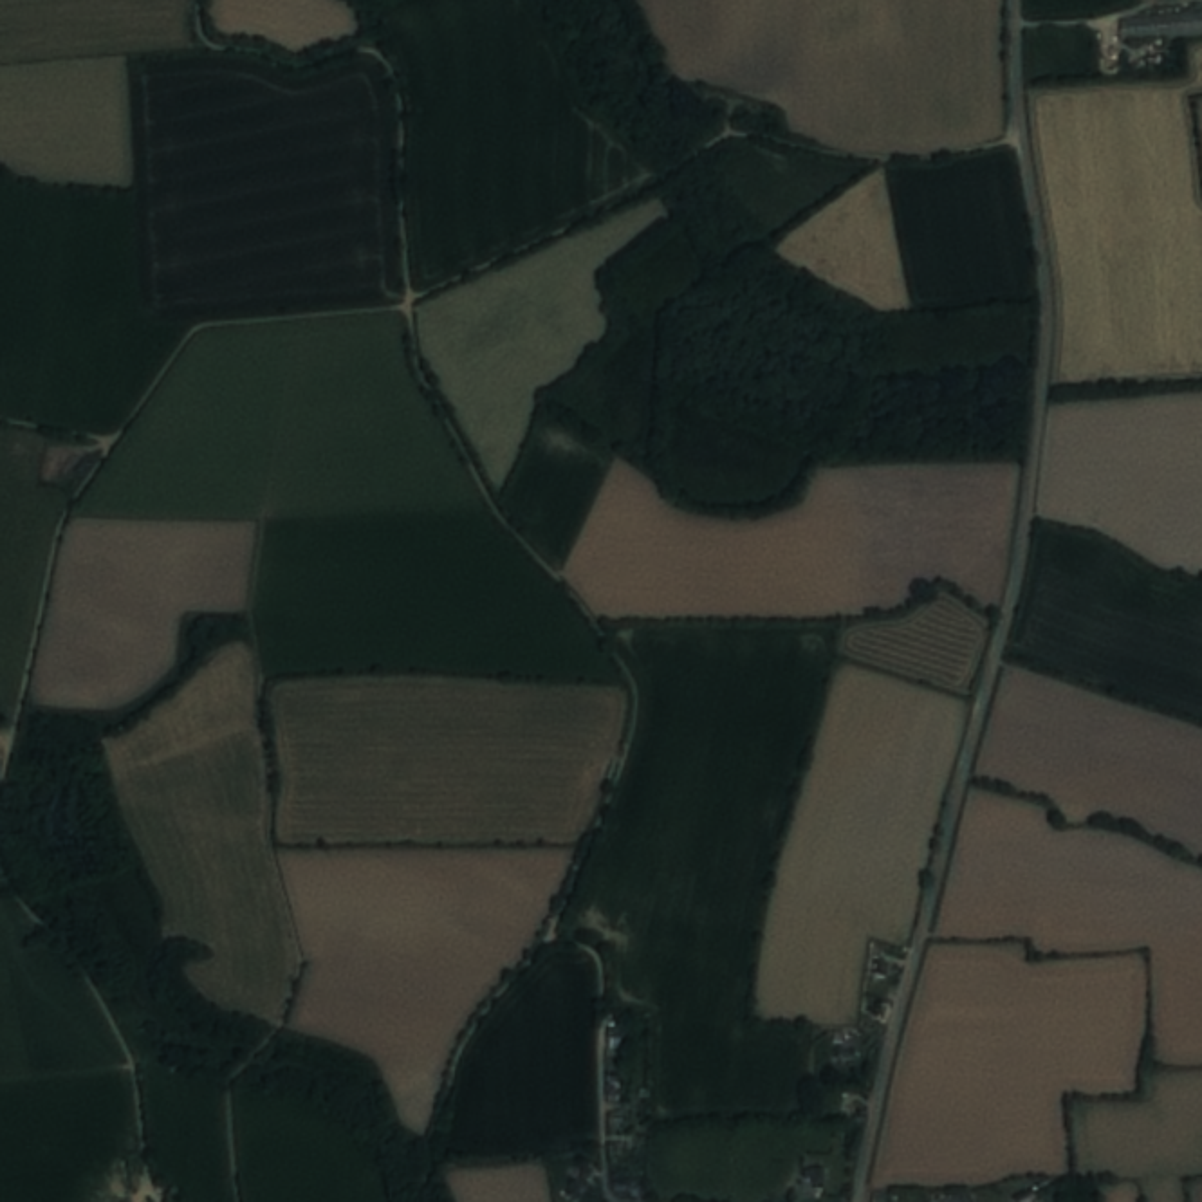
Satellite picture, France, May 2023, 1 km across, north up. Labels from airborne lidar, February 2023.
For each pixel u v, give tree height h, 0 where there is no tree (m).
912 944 0
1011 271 0
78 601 0
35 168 0
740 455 0
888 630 0
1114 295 0
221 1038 7
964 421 17
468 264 0
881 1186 0
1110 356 0
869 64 0
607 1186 0
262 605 0
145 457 0
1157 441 0
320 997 0
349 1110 9
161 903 6
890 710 0
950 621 0
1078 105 0
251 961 0
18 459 0
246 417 0
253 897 0
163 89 0
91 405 0
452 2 0
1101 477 0
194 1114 0
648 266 0
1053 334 0
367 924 0
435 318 0
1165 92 0
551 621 0
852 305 9
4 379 0
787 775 0
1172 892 0
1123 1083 0
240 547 0
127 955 7
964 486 0
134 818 0
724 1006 0
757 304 6
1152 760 0
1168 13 0
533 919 0
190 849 0
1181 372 0
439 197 0
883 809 0
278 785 6
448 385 0
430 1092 0
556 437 0
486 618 0
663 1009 0
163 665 0
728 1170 0
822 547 0
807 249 0
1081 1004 0
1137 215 0
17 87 0
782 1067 0
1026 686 0
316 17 0
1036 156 0
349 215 0
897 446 12
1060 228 0
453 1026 0
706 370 8
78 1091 0
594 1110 0
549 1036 0
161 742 0
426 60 0
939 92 0
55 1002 0
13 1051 0
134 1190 0
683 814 0
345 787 0
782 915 0
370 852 0
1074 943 0
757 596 0
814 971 0
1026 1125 0
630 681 0
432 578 0
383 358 0
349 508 0
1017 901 0
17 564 0
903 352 0
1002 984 0
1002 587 0
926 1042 0
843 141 0
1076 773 0
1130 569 0
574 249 0
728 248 0
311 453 0
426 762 0
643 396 0
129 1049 0
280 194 0
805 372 9
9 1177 0
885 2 0
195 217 0
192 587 0
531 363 0
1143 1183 0
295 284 0
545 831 0
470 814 0
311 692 0
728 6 0
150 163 0
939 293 0
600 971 0
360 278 0
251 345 0
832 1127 12
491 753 0
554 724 0
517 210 0
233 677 0
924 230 0
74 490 0
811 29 0
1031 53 0
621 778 0
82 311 0
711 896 0
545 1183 0
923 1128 0
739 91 0
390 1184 12
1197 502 0
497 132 0
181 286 0
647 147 10
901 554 0
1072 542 0
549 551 0
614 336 8
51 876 14
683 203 16
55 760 16
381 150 0
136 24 0
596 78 8
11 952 0
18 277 0
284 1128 0
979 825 0
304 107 0
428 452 0
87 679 0
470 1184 0
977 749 0
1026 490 0
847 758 0
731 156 11
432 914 0
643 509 0
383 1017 0
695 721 0
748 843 0
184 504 0
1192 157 0
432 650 0
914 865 0
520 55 0
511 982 9
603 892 0
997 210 0
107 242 0
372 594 0
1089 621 0
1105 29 0
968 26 0
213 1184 0
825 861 0
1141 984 0
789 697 0
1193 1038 0
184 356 0
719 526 0
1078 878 0
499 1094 0
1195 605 0
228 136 0
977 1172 0
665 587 0
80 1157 0
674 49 0
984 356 0
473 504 0
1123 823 9
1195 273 0
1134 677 0
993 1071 0
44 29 0
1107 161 0
